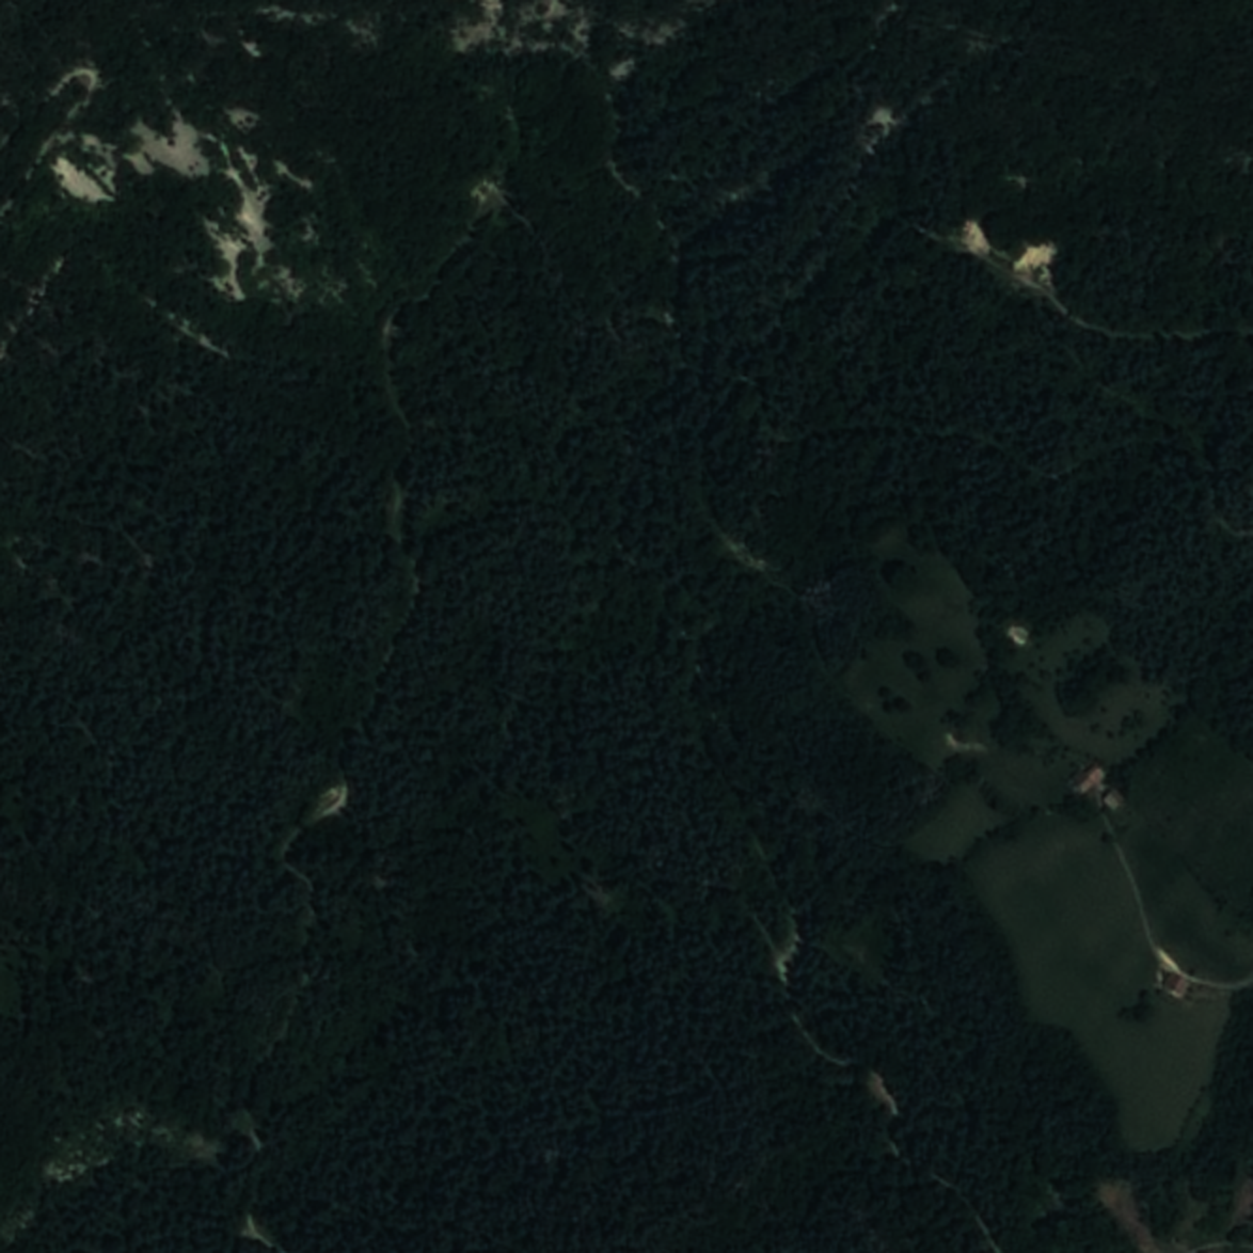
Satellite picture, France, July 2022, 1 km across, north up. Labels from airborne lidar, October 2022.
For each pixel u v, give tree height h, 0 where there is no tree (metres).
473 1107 7
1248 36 16
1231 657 22
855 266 23
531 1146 31
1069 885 0
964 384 22
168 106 8
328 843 10
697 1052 18
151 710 15
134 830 30
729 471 21
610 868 7
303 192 14
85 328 26
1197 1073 0
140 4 13
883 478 16
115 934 13
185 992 16
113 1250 29
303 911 28
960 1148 30
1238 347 30
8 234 13
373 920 8
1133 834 0
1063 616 6
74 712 21
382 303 15
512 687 31
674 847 27
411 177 17
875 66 17
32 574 16
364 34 9
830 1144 11
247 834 29
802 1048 26
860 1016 34
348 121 22
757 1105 14
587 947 34
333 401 15
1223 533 8
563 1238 11
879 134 10
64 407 15
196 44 14
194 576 23
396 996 7
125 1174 18
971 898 7
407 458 9
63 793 17
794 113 19
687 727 18
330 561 16
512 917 26
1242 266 15
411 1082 21
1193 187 15
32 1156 19
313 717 10
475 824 18
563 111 28
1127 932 0
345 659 8
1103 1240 27
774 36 12
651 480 6
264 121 8
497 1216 17
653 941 14
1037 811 10
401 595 10
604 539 25
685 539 11
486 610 33
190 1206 13
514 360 8
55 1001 31
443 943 23
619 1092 27
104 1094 10
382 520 13
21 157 15
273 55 12
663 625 13
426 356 19
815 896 34
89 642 20
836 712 18
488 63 15
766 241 24
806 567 8
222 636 8
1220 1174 33
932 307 21
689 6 8
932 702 0
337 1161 22
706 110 21
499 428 23
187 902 16
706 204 16
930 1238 18
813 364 17
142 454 11
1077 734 0
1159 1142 0
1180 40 14
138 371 28
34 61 17
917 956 31
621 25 21
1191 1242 0
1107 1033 0
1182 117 13
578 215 23
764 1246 17
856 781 32
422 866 13
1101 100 13
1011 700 17
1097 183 17
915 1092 25
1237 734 10
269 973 21
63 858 20
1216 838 0
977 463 27
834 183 24
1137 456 18
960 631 0
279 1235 10
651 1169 15
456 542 21
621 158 20
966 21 9
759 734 22
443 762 22
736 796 20
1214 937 0
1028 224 22
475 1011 29
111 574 14
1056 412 28
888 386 11
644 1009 28
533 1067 27
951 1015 22
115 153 9
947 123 14
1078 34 20
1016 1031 28
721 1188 17
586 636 11
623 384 18
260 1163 17
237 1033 14
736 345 14
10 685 18
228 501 15
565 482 22
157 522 21
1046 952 0
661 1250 17
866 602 22
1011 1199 18
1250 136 14
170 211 20
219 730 14
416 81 21
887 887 32
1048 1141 26
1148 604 18
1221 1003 0
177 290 22
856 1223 26
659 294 26
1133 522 28
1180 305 17
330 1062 16
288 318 16
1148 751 9
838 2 10
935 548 16
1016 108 15
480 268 22
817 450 22
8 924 21
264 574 18
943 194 25
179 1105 15
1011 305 17
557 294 20
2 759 18
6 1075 15
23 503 29
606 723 29
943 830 0
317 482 15
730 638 19
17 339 23
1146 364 24
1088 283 20
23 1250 20
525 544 21
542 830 0
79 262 20
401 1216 33
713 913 19
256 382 20
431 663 31
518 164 21
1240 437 31
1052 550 17
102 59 12
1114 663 9
